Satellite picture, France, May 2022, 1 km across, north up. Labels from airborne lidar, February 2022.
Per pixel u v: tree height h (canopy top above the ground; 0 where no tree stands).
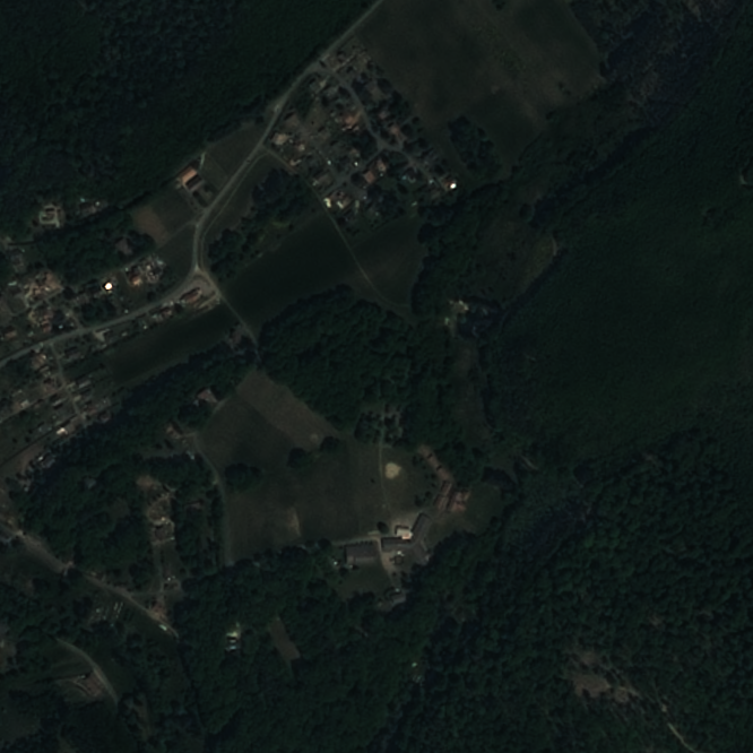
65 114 27
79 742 16
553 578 29
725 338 0
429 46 0
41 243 23
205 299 0
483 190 9
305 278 0
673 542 27
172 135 13
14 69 0
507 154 0
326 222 0
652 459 30
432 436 30
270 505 0
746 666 25
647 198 0
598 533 28
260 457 0
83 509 26
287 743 28
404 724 21
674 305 0
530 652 22
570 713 27
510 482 31
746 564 28
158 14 12
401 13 0
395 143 11
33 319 0
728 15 26
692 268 0
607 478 26
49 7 9
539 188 0
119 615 0
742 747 17
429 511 0
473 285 13
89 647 15
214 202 0
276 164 0
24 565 0
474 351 0
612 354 0
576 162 0
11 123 26
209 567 22
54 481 25
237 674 25
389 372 19
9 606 24
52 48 0
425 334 7
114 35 8
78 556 25
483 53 0
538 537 30
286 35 15
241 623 20
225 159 0
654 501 28
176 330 0
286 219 6
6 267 19
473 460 23
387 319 14
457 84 0
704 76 23
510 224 0
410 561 0
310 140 0
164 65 13
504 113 0
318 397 22
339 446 10
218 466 0
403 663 27
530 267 0
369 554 0
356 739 28
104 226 18
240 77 16
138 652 24
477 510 0
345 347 21
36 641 23
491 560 0
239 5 10
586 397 0
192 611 27
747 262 0
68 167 22
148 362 0
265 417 0
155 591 0
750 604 25
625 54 30
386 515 0
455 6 0
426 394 34
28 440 8
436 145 0
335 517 0
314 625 26
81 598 0
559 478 25
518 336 16
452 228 24
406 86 0
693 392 0
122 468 25
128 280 0
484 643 32
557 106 0
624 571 30
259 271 0
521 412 12
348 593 0
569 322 0
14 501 12
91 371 0
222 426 0
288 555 14
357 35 0
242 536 0
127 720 23
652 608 19
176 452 0
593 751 25
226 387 20
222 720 21
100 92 13
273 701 26
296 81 0
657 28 34
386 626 23
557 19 0
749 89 10
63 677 0
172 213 0
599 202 16
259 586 22
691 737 28
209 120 13
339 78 0
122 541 24
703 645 18
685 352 0
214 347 0
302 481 0
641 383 0
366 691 26
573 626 30
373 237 0
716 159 0
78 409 0
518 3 0
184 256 0
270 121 0
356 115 0
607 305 0
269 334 16
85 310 18
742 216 0
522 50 0
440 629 0
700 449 33
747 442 0
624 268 0
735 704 28
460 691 25
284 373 23
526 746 32
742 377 0
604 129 0
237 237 16
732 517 27
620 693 0
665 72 27
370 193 13
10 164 26
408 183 0
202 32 17
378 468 0
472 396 0
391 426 11
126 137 16
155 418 26
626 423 0
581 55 0
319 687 24
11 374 0
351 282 0
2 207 24
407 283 0
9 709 0
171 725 23
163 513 0
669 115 25
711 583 30
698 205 0
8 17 13
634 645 27
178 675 0
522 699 26
